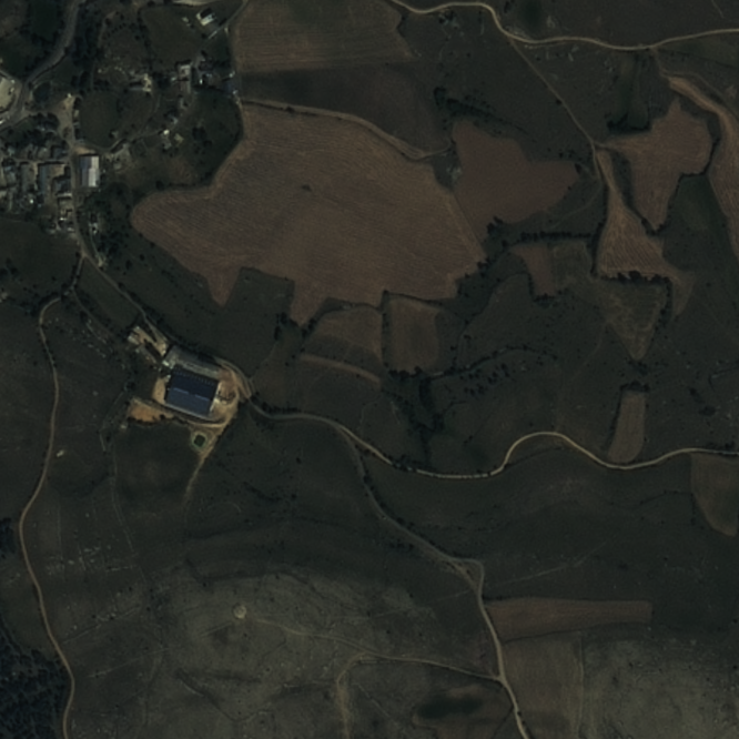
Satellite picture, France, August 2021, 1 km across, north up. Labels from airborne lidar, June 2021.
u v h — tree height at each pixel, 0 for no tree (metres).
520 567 0
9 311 0
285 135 0
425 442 9
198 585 0
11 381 0
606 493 0
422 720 0
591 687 0
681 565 0
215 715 0
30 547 0
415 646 0
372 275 0
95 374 0
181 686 0
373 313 0
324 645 0
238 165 0
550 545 0
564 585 0
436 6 0
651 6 0
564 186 0
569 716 0
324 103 0
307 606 0
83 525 0
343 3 0
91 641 0
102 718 0
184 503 0
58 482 0
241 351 0
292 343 0
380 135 0
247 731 0
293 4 0
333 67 0
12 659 9
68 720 0
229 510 0
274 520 0
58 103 0
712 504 0
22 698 10
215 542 0
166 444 0
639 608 0
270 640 0
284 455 0
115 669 0
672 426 0
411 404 6
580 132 0
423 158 0
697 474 0
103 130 0
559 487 0
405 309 0
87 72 8
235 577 0
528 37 0
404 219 0
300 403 0
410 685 0
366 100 0
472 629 0
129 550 0
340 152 0
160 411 0
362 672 0
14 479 0
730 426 0
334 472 0
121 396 0
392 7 0
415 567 0
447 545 0
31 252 0
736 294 0
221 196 0
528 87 0
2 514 0
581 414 0
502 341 0
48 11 0
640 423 0
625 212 0
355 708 0
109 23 10
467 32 0
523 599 0
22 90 0
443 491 0
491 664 0
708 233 0
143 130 0
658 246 0
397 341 0
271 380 0
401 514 0
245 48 0
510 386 0
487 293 0
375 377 0
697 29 0
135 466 0
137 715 0
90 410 0
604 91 0
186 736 0
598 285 0
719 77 0
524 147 0
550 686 0
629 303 0
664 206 0
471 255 0
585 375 0
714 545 0
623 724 0
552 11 0
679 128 0
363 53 0
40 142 13
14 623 0
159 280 0
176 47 0
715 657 0
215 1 0
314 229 0
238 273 0
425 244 0
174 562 0
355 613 0
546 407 0
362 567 0
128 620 0
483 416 0
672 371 0
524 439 0
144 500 0
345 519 0
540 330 0
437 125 0
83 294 7
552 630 0
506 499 0
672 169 0
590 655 0
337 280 0
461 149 0
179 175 0
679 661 0
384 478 0
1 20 0
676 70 0
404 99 0
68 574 0
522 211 0
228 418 0
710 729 0
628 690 0
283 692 0
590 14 0
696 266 0
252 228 0
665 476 0
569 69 0
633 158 0
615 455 0
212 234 0
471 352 0
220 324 0
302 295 0
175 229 0
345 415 0
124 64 0
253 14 0
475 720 0
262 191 0
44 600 0
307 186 0
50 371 0
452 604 0
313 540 0
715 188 0
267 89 0
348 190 0
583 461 0
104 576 0
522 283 0
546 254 0
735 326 0
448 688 0
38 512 0
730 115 0
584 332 0
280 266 0
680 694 0
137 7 0
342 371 0
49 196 0
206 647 0
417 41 0
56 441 0
